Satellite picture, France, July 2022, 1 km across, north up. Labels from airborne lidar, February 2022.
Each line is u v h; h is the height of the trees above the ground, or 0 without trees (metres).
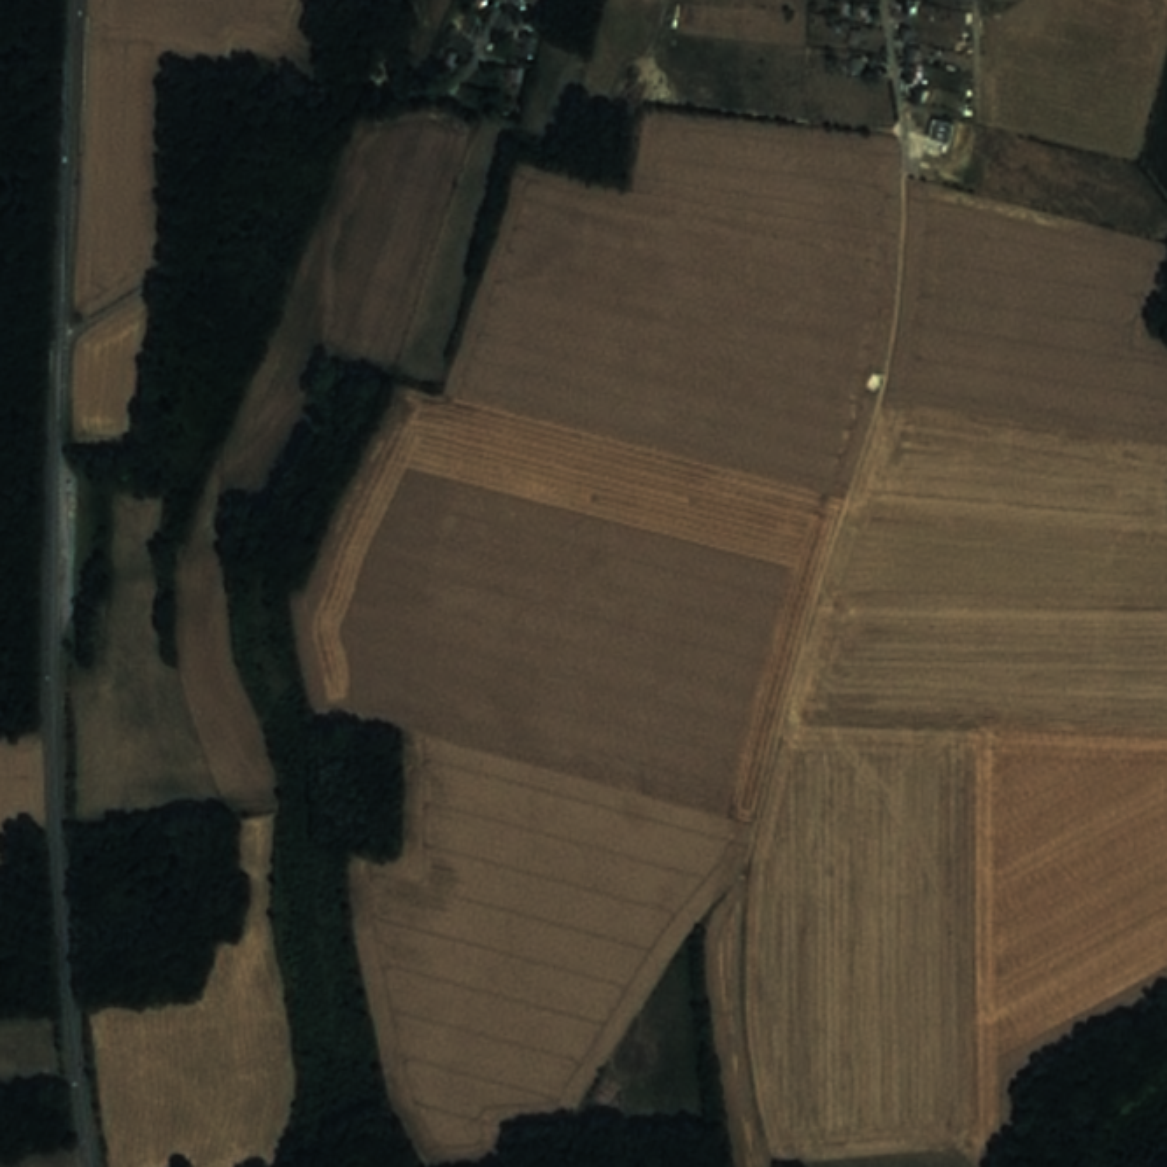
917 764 0
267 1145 0
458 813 0
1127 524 0
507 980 0
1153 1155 9
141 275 0
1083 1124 25
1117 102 0
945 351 0
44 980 22
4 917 23
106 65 0
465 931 0
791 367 0
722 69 0
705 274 0
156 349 25
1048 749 0
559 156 21
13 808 0
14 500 23
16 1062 0
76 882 15
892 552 0
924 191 0
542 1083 0
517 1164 23
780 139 0
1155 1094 11
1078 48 0
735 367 0
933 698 0
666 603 0
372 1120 24
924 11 0
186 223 25
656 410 0
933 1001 0
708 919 0
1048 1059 14
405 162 0
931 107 0
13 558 11
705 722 0
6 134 23
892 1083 0
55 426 0
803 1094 0
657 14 0
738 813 0
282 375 0
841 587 0
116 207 0
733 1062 0
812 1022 0
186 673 0
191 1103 0
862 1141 0
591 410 0
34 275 26
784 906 0
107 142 0
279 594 8
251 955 0
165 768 0
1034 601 0
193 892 27
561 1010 0
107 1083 0
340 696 0
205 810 14
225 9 0
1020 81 0
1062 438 0
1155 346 0
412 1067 0
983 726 0
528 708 0
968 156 0
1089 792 0
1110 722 0
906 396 0
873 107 0
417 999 0
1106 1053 24
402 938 0
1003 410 0
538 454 0
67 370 0
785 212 0
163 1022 0
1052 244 0
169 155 21
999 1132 0
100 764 0
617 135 23
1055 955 0
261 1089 0
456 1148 0
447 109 14
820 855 0
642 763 0
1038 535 0
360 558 0
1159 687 0
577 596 0
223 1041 0
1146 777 0
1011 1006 0
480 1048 0
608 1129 25
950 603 0
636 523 0
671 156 0
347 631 0
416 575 0
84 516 0
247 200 22
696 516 0
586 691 0
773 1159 0
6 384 24
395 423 0
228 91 14
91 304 0
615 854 0
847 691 0
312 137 27
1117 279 0
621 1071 0
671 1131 21
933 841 0
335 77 23
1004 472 0
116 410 0
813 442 0
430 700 0
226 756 0
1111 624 0
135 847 14
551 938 0
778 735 0
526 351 0
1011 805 0
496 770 0
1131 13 0
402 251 0
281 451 0
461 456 0
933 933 0
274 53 0
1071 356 0
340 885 6
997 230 0
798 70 0
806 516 0
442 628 0
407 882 0
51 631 0
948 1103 0
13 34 26
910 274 0
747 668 0
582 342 0
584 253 0
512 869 0
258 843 0
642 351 0
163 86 19
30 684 8
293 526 21
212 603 0
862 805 0
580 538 0
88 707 0
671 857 0
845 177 0
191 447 0
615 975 0
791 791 0
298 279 0
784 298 0
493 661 0
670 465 0
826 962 0
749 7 0
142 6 0
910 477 0
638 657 0
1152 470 0
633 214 0
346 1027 5
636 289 0
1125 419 0
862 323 0
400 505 0
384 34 27
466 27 0
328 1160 22
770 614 0
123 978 24
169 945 24
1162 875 0
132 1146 0
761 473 0
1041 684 0
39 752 0
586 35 14
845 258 0
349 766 20
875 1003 0
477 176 0
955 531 0
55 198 22
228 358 25
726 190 0
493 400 0
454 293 0
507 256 0
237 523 21
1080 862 0
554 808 0
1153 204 0
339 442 23
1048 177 0
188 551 0
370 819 17
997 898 0
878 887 0
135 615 0
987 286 0
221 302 28
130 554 0
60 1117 15
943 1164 0
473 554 0
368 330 0
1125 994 0
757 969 0
